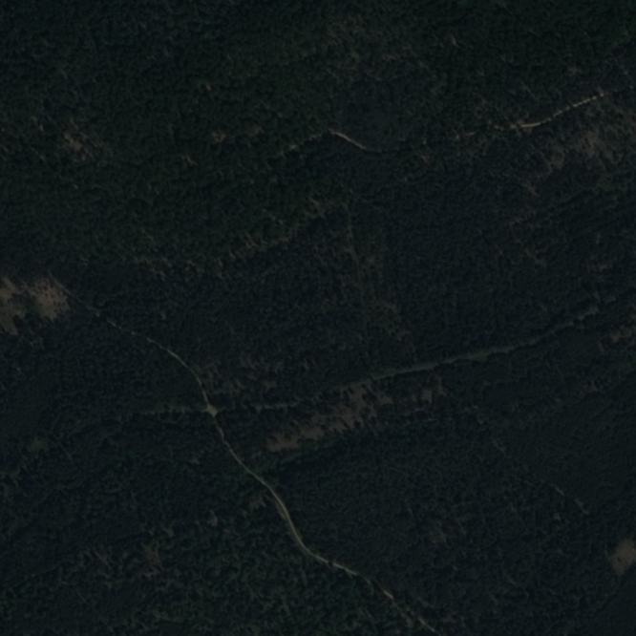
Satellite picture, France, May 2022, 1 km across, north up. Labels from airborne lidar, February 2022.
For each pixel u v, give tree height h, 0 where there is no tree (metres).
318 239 33
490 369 10
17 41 31
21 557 22
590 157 30
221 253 22
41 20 28
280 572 10
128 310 32
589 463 12
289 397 9
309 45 31
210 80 29
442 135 18
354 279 7
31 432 18
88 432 27
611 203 9
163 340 28
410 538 29
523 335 21
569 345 16
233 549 30
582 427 12
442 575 25
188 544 24
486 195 23
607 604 16
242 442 11
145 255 28
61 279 26
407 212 25
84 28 26
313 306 30
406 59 7
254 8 26
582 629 17
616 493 13
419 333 10
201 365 10
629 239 7
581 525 8
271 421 32
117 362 24
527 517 24
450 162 25
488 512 21
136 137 26
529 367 9
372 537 28
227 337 12
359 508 28
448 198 14
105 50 31
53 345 26
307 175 18
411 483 26
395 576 26
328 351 11
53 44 30
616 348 8
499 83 23
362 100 8
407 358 11
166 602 30
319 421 25
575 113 10
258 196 27
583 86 25
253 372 11
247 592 11
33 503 12
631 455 14
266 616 10
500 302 9
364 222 11
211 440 24
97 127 28
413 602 24
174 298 30
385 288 11
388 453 31
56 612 14
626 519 12
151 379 30
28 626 14
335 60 26
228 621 11
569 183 11
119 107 25
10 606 20
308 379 10
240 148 31
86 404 34
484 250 13
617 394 10
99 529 27
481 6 30
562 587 25
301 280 31
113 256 30
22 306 27
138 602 9
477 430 24
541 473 14
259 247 31
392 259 7
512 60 26
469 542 15
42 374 19
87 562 14
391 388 13
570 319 17
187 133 29
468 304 11
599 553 25
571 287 11
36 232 25
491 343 26
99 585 10
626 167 9
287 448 0
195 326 13
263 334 9
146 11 24
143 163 26
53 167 25
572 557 23
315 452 11
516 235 7
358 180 24
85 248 29
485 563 18
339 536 21
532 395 18
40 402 18
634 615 13
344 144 24
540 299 11
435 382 12
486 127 31
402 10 25
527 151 10
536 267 9
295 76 29
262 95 33
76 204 26
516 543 24
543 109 10
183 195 27
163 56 31
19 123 31
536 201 23
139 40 22
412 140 16
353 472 27
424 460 24
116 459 10
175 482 11
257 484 12
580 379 23
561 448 14
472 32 28
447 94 21
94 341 33
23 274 23
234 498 32
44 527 15
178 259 30
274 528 34
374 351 11
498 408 18
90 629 13
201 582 8
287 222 32
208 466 11
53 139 27
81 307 26
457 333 15
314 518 23
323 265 6
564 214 10
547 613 8
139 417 16
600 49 28
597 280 8
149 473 14
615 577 25
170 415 12
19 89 29
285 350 11
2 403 31
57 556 22
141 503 18
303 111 27
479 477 17
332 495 32
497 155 8
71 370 28
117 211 28
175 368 12
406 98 17
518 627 24
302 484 33
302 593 7
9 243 21
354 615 30
